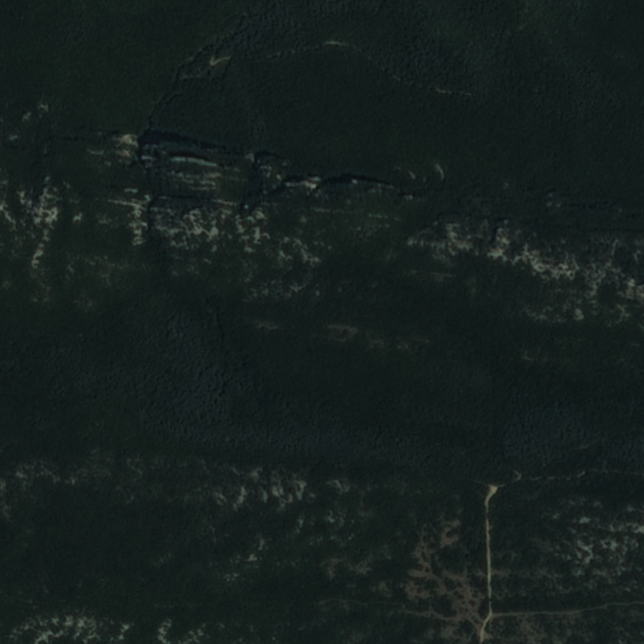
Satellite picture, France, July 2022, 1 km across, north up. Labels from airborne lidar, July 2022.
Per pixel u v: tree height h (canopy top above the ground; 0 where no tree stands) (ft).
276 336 23
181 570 19
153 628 23
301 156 28
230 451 33
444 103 31
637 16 23
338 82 23
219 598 22
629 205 30
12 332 39
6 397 27
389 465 27
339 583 24
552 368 21
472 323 34
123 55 35
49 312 19
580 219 35
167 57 35
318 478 17
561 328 18
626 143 27
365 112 22
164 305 21
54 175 21
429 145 23
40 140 20
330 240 21
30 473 24
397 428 21
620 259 28
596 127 24
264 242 19
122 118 28
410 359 24
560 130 25
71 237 18
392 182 27
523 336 17
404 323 17
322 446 36
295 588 20
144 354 27
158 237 21
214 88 29
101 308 27
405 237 21
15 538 21
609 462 26
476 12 39
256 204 26
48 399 31
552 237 28
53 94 29
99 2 20
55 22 21
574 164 24
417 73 34
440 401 19
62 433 31
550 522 20
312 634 18
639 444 39
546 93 31
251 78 24
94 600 18
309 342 18
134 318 18
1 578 18
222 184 24
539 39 21
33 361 37
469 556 27
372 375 22
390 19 37
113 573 19
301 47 25
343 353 18
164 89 51
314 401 41
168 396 40
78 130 29
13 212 21
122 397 30
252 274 21
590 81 33
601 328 22
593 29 24
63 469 19
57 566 18
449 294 19
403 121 30
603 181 26
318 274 18
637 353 19
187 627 20
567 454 21
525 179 29
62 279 19
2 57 18
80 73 27
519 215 24
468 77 32
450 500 18
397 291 22
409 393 20
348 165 31
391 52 25
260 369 41
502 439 29
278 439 39
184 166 37
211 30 26
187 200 19
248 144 22
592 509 18
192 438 45
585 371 22
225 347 30
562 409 49
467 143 24
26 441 26
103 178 22
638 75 19
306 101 21
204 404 52
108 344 22
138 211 22
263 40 26
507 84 33
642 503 23
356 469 24
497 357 29
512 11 32
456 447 29
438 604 19
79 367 28
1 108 21
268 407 25
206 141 24
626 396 32
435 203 28
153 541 20
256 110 28
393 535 18
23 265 18
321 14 36
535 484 18
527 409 22
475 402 21
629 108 18
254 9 47
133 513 21
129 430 23
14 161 22
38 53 23
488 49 26
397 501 18
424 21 30
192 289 21
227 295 28
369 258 25
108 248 20
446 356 22
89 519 22
